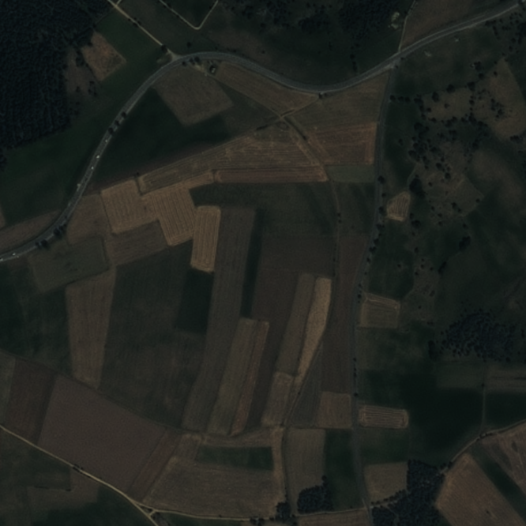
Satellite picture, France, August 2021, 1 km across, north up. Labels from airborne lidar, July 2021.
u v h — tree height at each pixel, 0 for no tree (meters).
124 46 0
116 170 0
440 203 0
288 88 0
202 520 0
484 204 0
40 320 0
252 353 0
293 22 0
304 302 0
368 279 0
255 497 0
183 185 0
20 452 0
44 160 0
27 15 21
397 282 0
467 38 0
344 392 0
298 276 0
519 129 0
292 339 0
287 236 0
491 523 0
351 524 0
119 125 15
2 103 19
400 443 0
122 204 0
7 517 0
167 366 0
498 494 0
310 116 0
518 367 0
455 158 0
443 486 0
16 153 0
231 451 0
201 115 0
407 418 0
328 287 0
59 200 0
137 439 0
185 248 0
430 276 0
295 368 0
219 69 0
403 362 0
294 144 0
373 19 10
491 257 0
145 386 0
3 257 0
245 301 0
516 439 0
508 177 0
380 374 0
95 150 0
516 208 0
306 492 10
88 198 0
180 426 0
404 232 0
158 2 7
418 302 0
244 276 0
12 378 0
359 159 0
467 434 0
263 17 0
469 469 0
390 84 0
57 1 16
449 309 0
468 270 0
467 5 0
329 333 0
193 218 0
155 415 0
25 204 0
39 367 0
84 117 0
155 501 0
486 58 0
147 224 0
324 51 0
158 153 0
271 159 0
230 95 0
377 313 0
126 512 0
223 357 0
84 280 0
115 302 0
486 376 0
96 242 0
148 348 0
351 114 0
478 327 6
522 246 0
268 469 0
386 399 0
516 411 0
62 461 0
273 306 0
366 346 0
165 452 0
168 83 0
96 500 0
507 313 0
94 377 0
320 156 0
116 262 0
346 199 0
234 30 0
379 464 0
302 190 0
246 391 0
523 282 0
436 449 0
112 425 0
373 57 0
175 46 0
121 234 0
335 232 0
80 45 10
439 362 0
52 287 0
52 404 0
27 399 0
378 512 8
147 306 0
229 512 0
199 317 0
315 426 0
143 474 0
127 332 0
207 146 0
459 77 0
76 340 0
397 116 0
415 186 16
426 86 0
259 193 0
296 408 0
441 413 0
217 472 0
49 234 0
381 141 0
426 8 0
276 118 0
